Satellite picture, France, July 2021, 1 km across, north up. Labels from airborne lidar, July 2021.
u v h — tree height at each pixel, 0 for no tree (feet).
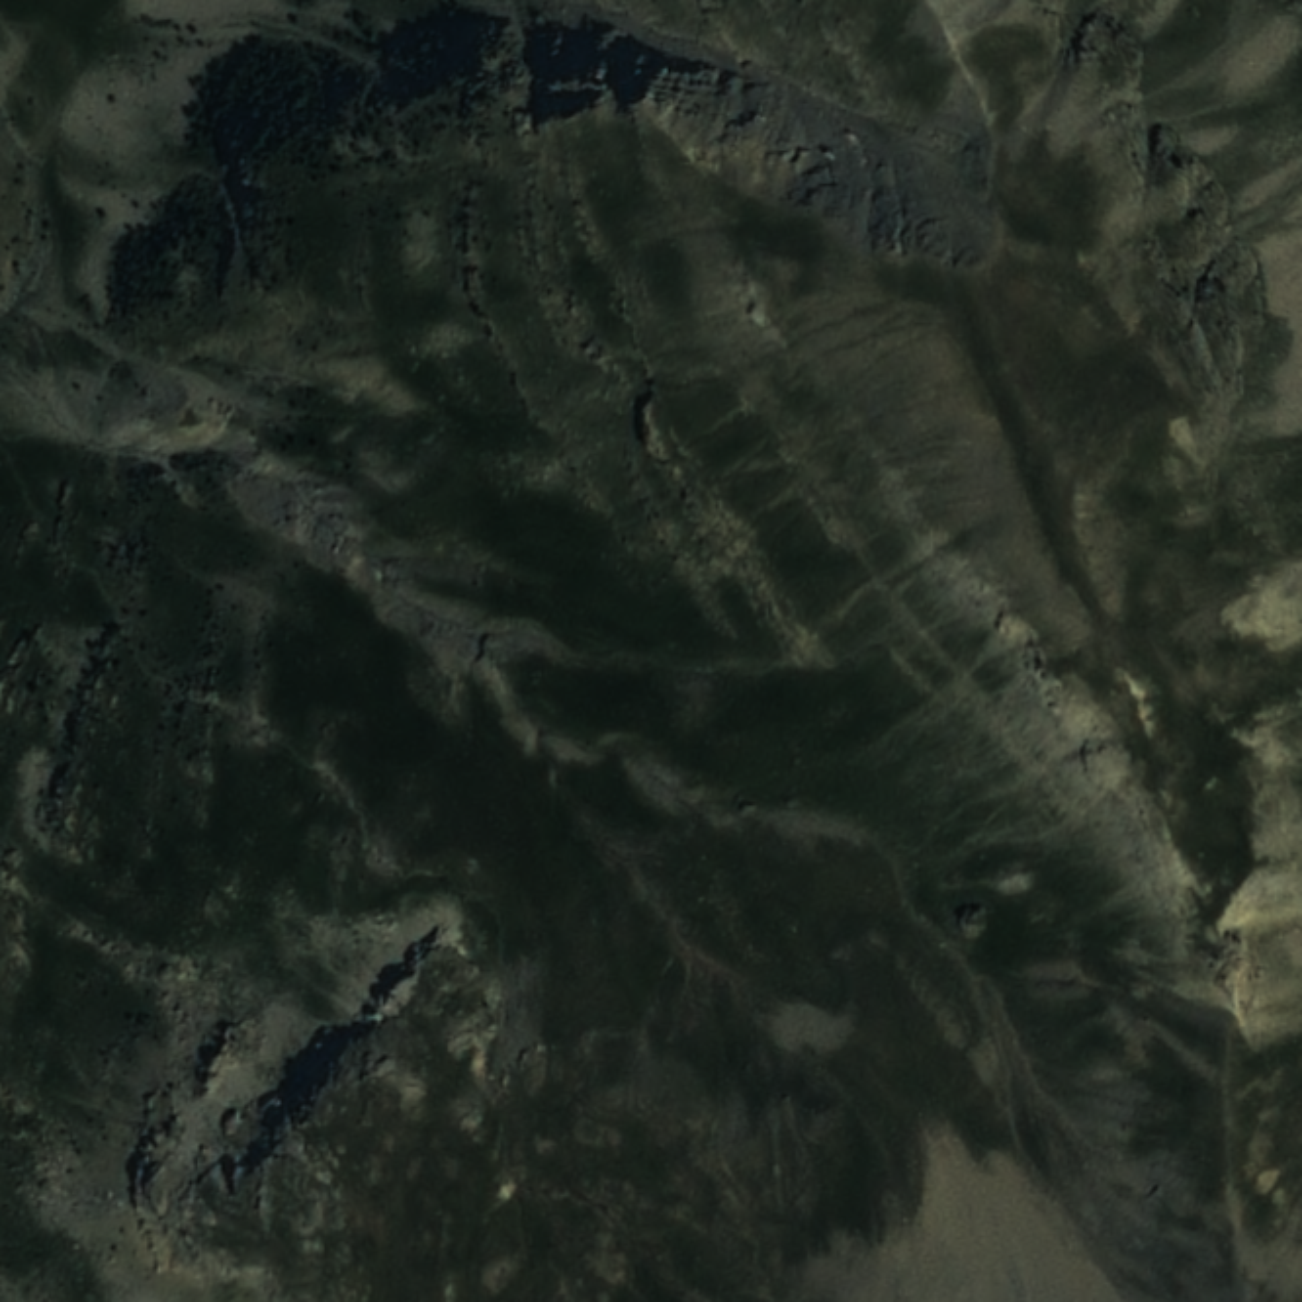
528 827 0
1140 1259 0
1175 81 0
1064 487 0
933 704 0
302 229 0
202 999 0
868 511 0
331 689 0
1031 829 0
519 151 0
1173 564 0
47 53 0
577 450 0
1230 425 0
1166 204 0
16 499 0
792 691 0
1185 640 0
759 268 0
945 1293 0
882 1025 0
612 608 0
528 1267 0
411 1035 0
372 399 0
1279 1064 0
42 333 0
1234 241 0
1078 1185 0
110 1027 0
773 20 0
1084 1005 0
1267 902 0
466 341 0
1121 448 0
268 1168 0
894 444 0
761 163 0
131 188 0
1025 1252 0
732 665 0
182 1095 0
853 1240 0
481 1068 0
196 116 35
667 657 0
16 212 0
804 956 0
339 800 0
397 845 0
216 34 0
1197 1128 0
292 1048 0
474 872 0
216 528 0
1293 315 0
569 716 0
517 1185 0
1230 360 0
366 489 0
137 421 0
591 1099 0
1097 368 0
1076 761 0
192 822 0
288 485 0
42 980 0
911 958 0
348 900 0
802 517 0
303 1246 0
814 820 0
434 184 0
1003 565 0
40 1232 0
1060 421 0
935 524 0
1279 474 0
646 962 0
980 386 0
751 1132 0
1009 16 0
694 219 0
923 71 0
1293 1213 0
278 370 0
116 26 0
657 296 0
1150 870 0
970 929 0
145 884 0
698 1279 0
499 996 0
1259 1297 0
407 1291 0
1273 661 0
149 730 0
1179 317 0
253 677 0
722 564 0
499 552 0
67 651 0
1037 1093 0
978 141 0
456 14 28
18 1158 0
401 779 0
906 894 0
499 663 0
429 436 0
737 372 0
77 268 0
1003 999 0
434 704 0
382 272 0
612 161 0
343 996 0
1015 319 0
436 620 0
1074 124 0
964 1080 0
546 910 0
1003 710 0
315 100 24
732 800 0
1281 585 0
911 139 0
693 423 0
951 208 0
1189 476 0
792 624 0
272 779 0
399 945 0
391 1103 0
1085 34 0
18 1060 0
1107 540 0
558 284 0
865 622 0
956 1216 0
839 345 0
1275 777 0
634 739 0
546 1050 0
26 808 0
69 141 0
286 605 0
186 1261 0
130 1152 0
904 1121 0
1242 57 0
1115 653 0
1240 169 0
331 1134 0
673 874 0
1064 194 0
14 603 0
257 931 0
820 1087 0
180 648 0
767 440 0
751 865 0
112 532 0
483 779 0
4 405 0
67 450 0
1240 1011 0
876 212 0
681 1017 0
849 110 0
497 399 0
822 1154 0
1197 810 0
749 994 0
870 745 0
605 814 0
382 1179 0
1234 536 0
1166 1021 0
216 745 0
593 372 0
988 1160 0
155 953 0
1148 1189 0
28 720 0
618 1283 0
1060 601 0
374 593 0
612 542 0
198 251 21
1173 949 0
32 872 0
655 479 0
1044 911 0
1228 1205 0
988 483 0
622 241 0
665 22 0
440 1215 0
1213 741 0
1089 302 0
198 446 0
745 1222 0
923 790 0
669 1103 0
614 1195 0
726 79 0
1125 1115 0
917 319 0
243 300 0
